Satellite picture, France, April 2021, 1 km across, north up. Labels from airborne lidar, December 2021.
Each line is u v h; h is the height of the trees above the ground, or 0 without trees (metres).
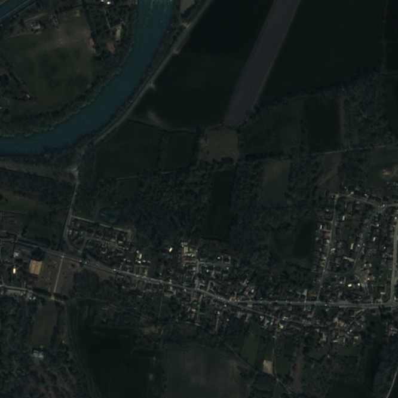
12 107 0
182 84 0
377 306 0
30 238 0
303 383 13
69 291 0
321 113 0
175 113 0
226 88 0
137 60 0
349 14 0
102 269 0
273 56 0
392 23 0
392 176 0
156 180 14
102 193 17
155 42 0
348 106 18
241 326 9
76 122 0
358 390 0
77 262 0
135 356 0
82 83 0
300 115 0
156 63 8
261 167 19
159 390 0
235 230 22
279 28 0
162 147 17
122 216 0
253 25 0
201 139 26
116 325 9
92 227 10
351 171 19
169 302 0
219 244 11
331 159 0
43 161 17
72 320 0
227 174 0
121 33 0
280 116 0
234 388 0
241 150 19
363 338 16
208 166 13
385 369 16
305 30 0
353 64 0
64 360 30
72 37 0
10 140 0
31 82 0
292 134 0
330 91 23
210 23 0
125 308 9
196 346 0
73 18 0
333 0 0
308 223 0
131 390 0
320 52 0
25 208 0
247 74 0
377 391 21
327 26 0
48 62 0
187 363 0
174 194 21
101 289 23
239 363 0
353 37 0
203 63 0
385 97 17
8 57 0
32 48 0
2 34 15
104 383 0
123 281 7
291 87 0
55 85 0
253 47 0
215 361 0
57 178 24
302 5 0
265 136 0
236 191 14
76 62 0
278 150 0
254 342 0
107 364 0
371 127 33
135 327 13
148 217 15
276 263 28
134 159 0
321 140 0
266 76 0
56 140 0
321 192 0
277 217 20
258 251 21
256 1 0
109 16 8
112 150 0
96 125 0
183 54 0
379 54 0
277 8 0
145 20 0
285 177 0
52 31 0
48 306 0
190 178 21
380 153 0
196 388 0
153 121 0
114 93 0
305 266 0
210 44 0
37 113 0
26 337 26
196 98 0
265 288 7
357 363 8
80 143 17
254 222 24
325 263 0
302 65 0
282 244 0
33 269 0
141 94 0
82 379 17
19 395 22
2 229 18
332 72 0
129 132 0
